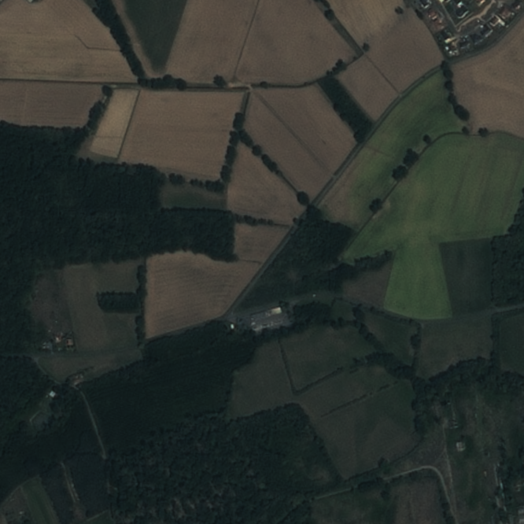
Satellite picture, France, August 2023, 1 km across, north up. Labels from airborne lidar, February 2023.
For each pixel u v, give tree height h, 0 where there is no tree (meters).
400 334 0
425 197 0
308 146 0
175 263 0
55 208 14
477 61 0
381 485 18
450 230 0
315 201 0
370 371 0
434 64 0
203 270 0
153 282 0
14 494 0
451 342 0
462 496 0
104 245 25
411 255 0
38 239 19
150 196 18
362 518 0
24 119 0
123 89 0
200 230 21
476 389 0
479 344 0
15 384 17
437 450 0
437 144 0
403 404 0
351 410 0
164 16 0
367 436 0
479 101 0
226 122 0
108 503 16
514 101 0
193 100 0
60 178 14
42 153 20
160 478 23
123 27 19
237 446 18
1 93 0
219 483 24
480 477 0
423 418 19
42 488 0
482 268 0
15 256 19
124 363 0
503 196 0
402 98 0
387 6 0
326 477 0
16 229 16
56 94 0
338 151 0
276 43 0
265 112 0
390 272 0
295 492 13
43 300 0
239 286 0
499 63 0
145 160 0
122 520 16
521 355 0
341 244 11
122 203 22
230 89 0
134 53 12
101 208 17
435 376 0
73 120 0
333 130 0
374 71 0
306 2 0
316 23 0
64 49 0
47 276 0
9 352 19
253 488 19
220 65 0
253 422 14
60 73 0
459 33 0
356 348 0
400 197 0
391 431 0
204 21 0
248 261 0
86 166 23
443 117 0
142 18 0
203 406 0
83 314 0
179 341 9
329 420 0
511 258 15
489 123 0
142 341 12
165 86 12
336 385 0
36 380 21
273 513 23
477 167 0
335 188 0
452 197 0
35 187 21
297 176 0
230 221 20
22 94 0
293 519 19
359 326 21
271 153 0
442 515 0
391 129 0
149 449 27
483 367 18
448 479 0
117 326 0
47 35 0
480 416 0
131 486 21
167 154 0
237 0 0
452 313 0
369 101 0
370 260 17
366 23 0
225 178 18
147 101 0
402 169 12
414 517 0
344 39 0
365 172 0
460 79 0
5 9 0
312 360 0
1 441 18
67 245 19
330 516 0
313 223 10
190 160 0
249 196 0
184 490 23
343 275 18
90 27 0
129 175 20
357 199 0
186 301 0
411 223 0
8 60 0
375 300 0
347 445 0
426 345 0
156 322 0
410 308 0
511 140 0
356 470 0
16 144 22
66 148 14
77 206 15
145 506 25
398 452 0
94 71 0
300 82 0
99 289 0
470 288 0
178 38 0
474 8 0
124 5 0
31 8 0
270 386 0
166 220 17
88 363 0
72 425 6
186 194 0
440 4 0
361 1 0
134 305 16
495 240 7
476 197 0
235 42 0
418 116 0
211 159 0
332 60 0
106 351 0
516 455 0
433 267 0
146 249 21
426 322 0
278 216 0
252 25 0
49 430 17
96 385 7
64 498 13
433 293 0
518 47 0
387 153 0
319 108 0
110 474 18
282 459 15
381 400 0
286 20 0
